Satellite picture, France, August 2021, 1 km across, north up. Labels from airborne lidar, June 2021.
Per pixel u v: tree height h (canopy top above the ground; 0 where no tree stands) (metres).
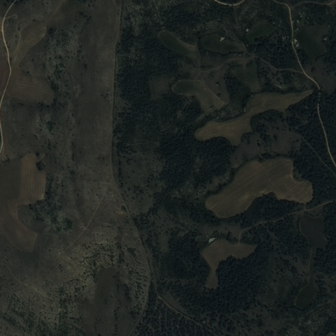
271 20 9
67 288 0
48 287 0
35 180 0
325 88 0
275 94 0
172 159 9
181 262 9
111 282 0
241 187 0
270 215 9
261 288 0
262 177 0
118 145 8
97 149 0
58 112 0
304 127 8
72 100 0
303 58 8
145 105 8
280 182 0
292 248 8
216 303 10
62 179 0
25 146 0
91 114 0
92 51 0
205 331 10
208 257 0
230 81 7
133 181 0
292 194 0
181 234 0
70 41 0
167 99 6
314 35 0
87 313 0
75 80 0
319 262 9
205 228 0
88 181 0
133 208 0
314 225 0
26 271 0
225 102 0
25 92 0
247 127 0
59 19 0
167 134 7
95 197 0
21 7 0
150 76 7
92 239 0
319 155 7
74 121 0
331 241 10
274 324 0
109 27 0
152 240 6
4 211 0
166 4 0
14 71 0
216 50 0
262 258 8
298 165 10
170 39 0
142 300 0
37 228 0
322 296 7
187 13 9
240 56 0
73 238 0
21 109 0
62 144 0
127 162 8
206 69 0
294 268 7
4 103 0
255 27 0
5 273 0
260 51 9
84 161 0
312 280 0
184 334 11
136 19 0
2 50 0
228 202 0
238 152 0
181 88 0
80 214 0
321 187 9
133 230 0
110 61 0
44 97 0
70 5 0
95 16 0
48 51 0
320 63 0
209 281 0
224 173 8
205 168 6
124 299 0
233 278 7
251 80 0
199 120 0
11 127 0
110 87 0
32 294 0
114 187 0
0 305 0
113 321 0
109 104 0
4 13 0
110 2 0
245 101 8
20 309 0
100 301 0
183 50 0
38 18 0
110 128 0
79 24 0
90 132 0
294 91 6
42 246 0
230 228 0
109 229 0
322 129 11
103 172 0
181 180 9
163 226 6
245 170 0
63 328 0
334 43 9
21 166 0
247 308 10
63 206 0
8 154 0
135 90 10
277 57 9
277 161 0
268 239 8
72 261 0
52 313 0
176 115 8
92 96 0
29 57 0
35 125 0
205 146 8
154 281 0
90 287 0
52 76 0
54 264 0
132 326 0
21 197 0
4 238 0
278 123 0
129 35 6
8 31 0
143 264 0
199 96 0
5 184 0
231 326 8
